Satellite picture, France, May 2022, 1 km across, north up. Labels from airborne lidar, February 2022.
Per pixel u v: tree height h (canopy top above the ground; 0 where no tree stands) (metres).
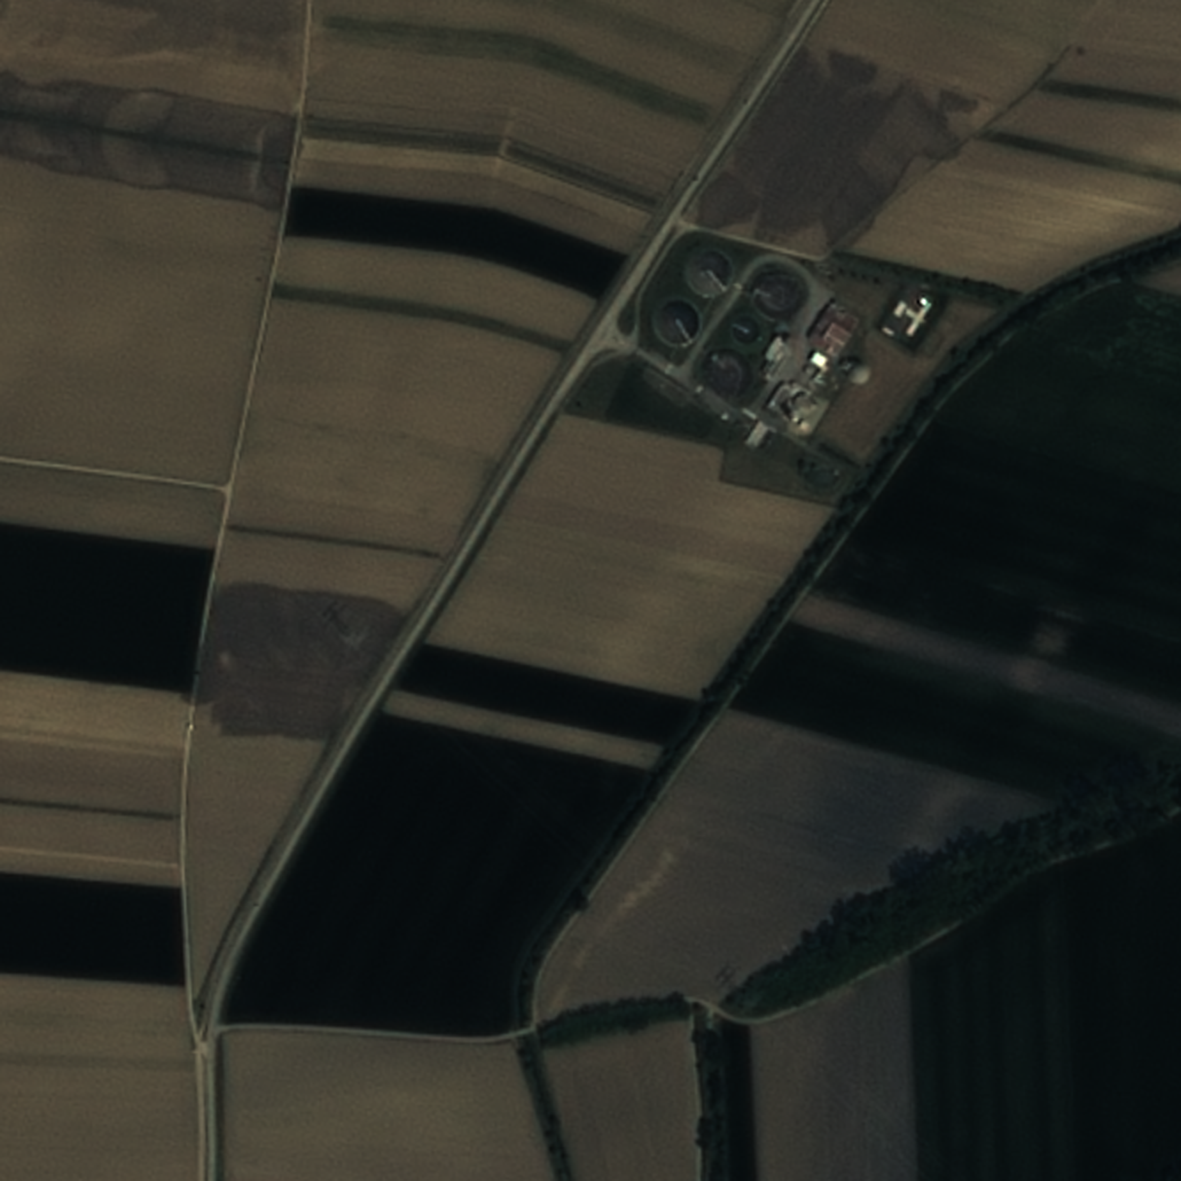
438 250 0
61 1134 0
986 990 0
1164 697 0
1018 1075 0
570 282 0
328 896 0
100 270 0
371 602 0
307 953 0
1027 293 0
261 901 0
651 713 0
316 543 0
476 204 0
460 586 0
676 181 0
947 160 0
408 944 0
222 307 0
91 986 0
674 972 0
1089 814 32
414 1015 0
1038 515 0
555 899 0
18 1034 0
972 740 0
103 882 0
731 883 0
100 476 0
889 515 0
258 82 0
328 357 0
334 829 0
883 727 0
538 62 0
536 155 0
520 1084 0
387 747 0
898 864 0
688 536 0
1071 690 0
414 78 0
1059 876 0
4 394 0
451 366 0
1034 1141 0
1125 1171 0
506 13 0
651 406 0
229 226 0
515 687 0
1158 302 0
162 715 0
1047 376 0
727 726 0
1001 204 0
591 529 0
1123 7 0
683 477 0
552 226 0
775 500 0
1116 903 0
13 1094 0
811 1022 0
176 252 0
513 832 0
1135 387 0
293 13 0
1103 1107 0
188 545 0
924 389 0
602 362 0
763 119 0
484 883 0
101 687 0
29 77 0
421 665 0
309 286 0
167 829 0
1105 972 0
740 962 0
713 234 0
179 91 0
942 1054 0
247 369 0
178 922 0
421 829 0
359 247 0
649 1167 0
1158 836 0
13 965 0
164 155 0
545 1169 0
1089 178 0
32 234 0
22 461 0
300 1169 0
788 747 0
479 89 0
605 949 0
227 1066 0
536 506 0
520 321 0
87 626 0
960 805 0
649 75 0
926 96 0
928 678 0
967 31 0
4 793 0
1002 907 0
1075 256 0
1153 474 0
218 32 0
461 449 0
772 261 0
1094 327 0
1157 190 0
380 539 0
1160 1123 0
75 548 0
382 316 0
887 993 0
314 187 0
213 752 0
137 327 0
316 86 0
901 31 0
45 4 0
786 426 0
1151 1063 0
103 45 0
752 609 0
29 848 0
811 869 0
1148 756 0
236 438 0
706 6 0
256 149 0
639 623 0
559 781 0
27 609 0
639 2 0
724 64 0
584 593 0
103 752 0
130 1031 0
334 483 0
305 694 0
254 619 0
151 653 0
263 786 0
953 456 0
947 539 0
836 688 0
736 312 0
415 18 0
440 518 0
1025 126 0
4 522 0
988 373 0
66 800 0
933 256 0
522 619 0
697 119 0
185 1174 0
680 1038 0
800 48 0
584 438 0
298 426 0
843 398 0
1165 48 0
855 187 0
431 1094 0
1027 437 0
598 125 0
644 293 0
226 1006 0
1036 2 0
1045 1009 0
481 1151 0
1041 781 0
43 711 0
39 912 0
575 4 0
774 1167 0
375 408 0
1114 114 0
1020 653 0
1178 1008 0
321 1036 0
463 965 0
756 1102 0
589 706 0
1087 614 0
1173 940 0
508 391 0
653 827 0
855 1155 0
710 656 0
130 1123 0
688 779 0
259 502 0
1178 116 0
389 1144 0
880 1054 0
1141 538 0
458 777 0
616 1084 0
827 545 7
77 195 0
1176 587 0
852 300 0
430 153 0
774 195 0
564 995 0
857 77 0
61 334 0
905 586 0
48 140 0
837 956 16
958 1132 0
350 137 0
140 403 0
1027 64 0
